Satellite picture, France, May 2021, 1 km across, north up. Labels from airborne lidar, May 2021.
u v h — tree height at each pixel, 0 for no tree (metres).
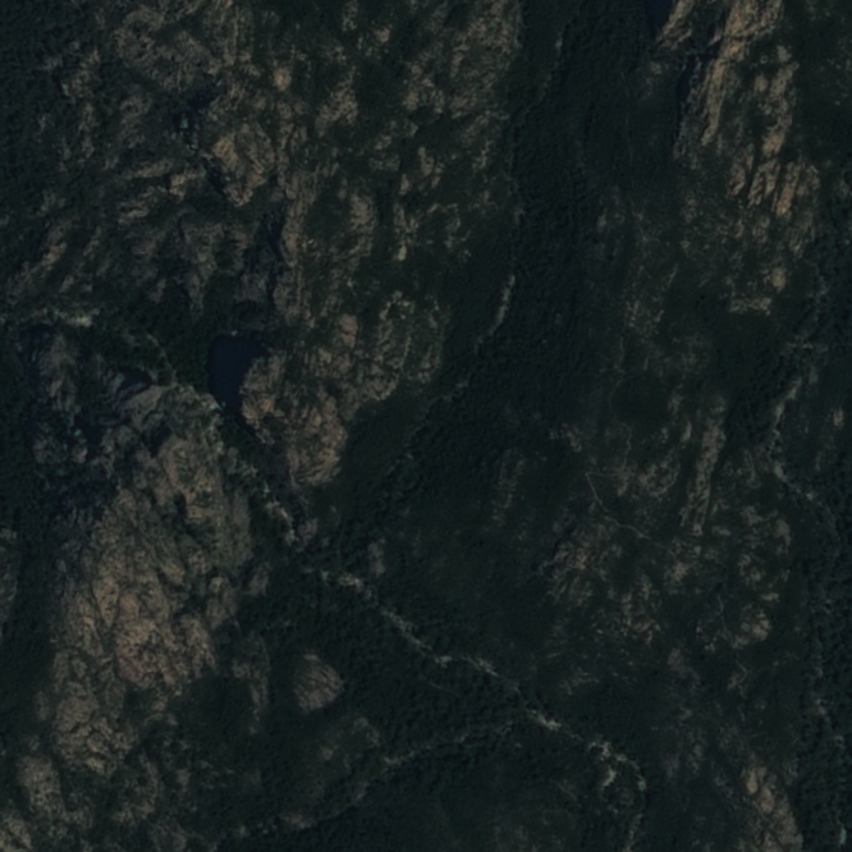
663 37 7
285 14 7
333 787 9
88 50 13
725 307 10
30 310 27
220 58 12
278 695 16
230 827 7
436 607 13
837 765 20
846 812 7
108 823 12
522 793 6
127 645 0
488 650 6
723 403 0
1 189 20
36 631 16
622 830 23
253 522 15
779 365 6
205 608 10
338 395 9
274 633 20
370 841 8
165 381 18
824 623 24
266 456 12
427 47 10
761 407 26
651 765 10
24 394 11
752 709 10
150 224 6
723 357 13
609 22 7
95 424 10
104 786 6
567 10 8
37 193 6
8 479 25
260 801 20
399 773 7
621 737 13
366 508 11
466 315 11
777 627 9
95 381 11
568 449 9
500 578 6
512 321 8
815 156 8
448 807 7
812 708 22
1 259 15
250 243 9
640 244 0
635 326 0
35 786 0
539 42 11
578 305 11
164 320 14
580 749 10
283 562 7
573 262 7
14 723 9
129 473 8
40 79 16
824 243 26
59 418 9
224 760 8
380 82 8
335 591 13
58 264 8
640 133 7
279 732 11
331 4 9
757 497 7
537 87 9
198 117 13
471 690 10
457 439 11
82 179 19
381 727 6
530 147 9
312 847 14
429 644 10
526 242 11
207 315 11
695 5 7
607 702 14
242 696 12
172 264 11
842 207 23
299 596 10
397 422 10
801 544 6
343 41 14
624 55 7
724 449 6
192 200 9
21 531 22
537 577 6
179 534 9
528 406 8
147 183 9
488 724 25
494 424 12
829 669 16
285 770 10
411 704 12
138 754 7
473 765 17
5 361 14
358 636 8
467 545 8
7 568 6
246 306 13
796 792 7
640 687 7
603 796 27
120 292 7
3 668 9
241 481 10
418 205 13
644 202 0
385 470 8
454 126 10
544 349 8
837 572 24
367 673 15
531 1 10
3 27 17
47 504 21
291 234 0
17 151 15
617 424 0
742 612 0
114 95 21
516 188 13
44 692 0
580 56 14
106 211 6
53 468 9
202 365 12
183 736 17
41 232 7
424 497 6
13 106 14
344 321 0
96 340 14
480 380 6
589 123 10
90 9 16
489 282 13
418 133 13
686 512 0
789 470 9
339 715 9
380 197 16
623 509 9
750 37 6
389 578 8
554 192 8
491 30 6
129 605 0
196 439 6
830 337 22
